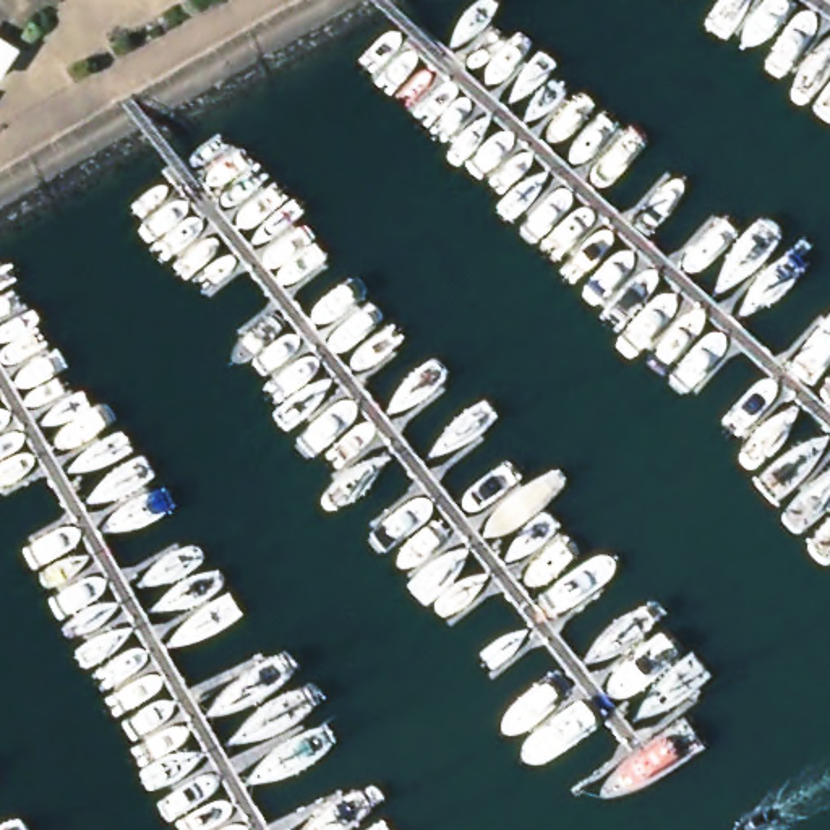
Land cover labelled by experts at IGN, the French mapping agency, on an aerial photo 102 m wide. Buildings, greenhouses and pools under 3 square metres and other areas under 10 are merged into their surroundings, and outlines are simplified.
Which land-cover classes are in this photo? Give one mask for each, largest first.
<instances>
[{"label":"water","instance_id":"1","mask_svg":"<svg viewBox=\"0 0 830 830\"><path fill-rule=\"evenodd\" d=\"M370 3V10L363 16H353L347 32L331 36L318 49H302L295 62L282 58V65L272 75L233 88V101H224L220 107L204 104L201 117H188L182 107H156L149 117L152 123L139 133L146 139L139 152L104 169L91 182L75 185L55 204L29 211L23 220H13L10 230H0V830H830V0H363Z\"/></svg>","mask_w":830,"mask_h":830},{"label":"impervious surface","instance_id":"2","mask_svg":"<svg viewBox=\"0 0 830 830\"><path fill-rule=\"evenodd\" d=\"M172 6L185 10V23L175 32L149 39L143 49L123 55L107 71H97L91 78L71 75V65L101 55L113 42L110 36L117 29L152 26ZM370 10V3L363 0H0V230H10L13 220H23L29 211L55 204L75 185L91 182L104 169L139 152L146 139L139 133L152 123L149 117L156 107H182L188 117H201L204 104L220 107L224 101H233V88L272 75L282 65V58L295 62L302 49H318L331 36L347 32L353 16H363Z\"/></svg>","mask_w":830,"mask_h":830},{"label":"brushwood","instance_id":"3","mask_svg":"<svg viewBox=\"0 0 830 830\"><path fill-rule=\"evenodd\" d=\"M185 23V10L172 6L152 26L117 29L110 36L113 42L101 55L71 65V75L91 78L97 71H107L123 55L143 49L149 39L175 32Z\"/></svg>","mask_w":830,"mask_h":830}]
</instances>
